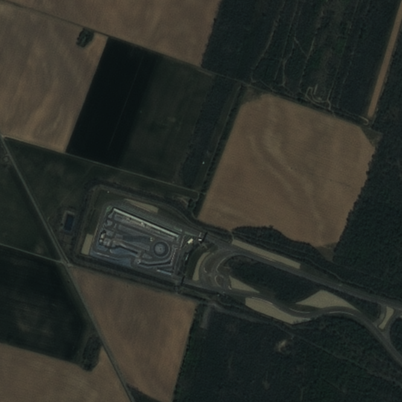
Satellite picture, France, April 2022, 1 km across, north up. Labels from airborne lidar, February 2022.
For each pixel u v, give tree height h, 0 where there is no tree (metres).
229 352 9
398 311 0
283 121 0
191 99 0
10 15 0
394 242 14
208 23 0
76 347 0
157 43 0
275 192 0
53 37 0
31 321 0
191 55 0
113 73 0
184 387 8
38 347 0
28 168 0
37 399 0
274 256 0
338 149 0
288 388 8
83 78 0
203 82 0
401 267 15
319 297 0
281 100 0
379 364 13
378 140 0
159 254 0
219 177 0
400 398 8
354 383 11
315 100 0
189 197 0
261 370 6
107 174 0
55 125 0
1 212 0
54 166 0
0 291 0
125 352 0
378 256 15
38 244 0
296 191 0
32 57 0
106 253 0
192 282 0
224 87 8
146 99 0
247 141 0
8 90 0
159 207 0
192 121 0
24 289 0
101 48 0
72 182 0
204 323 0
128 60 0
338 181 0
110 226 0
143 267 0
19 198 0
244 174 0
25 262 0
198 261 0
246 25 13
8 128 0
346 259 9
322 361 12
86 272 0
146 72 0
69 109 0
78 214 0
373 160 9
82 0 0
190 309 0
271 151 0
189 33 0
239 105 0
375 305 10
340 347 11
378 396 5
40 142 0
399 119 0
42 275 0
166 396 0
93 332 0
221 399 9
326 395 9
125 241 0
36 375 0
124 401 0
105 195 0
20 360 0
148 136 0
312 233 0
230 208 0
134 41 0
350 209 0
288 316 0
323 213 0
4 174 0
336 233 0
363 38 10
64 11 0
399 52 9
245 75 8
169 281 0
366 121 0
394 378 13
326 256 0
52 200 0
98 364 0
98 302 0
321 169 0
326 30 11
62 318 0
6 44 0
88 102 0
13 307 0
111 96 0
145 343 0
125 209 0
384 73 0
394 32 0
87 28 0
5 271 0
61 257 0
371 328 0
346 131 0
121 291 0
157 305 0
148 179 0
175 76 0
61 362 0
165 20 0
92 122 0
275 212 0
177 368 0
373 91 0
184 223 0
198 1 0
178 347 0
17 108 0
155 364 0
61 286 0
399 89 10
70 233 0
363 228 11
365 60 14
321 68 8
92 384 0
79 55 0
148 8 0
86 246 0
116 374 0
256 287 0
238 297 0
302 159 0
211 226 10
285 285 8
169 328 0
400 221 12
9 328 0
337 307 0
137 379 0
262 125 0
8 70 0
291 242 9
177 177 0
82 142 0
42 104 0
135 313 0
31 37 0
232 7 13
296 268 0
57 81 0
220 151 6
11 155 0
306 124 0
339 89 13
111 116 0
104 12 0
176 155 0
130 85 0
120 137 0
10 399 0
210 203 0
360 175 0
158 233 0
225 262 0
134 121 0
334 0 8
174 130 0
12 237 0
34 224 0
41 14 0
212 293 0
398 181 8
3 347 0
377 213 13
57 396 0
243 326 7
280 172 0
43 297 0
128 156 0
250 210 0
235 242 0
